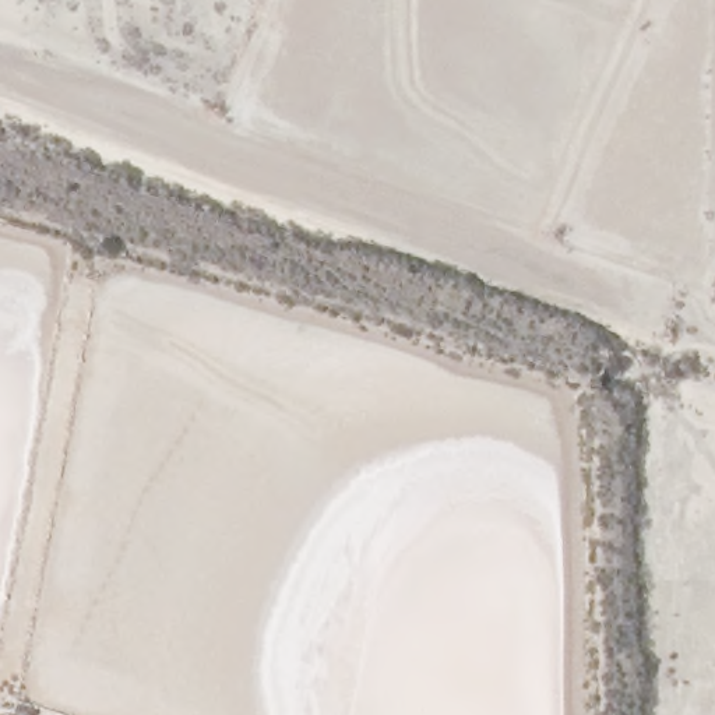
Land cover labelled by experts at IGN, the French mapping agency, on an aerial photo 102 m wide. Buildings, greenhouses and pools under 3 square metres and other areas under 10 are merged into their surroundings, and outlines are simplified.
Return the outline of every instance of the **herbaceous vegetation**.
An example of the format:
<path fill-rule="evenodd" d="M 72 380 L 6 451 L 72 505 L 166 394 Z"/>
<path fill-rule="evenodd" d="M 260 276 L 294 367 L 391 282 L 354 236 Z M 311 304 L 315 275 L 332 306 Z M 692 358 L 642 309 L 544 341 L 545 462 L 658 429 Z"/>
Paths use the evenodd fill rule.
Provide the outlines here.
<path fill-rule="evenodd" d="M 64 137 L 42 134 L 36 126 L 25 126 L 11 115 L 0 117 L 0 223 L 64 240 L 81 257 L 120 254 L 128 263 L 176 274 L 190 282 L 226 285 L 240 293 L 277 299 L 285 307 L 310 307 L 324 316 L 371 321 L 388 327 L 399 338 L 427 338 L 433 344 L 433 355 L 452 363 L 466 360 L 469 355 L 489 358 L 503 363 L 506 377 L 511 380 L 531 369 L 542 371 L 550 388 L 575 388 L 581 408 L 581 480 L 587 494 L 584 525 L 600 525 L 603 514 L 623 514 L 623 503 L 600 500 L 600 447 L 620 441 L 623 425 L 612 405 L 603 399 L 603 391 L 612 391 L 614 377 L 603 374 L 598 385 L 589 374 L 578 371 L 584 349 L 595 338 L 592 332 L 581 327 L 567 327 L 559 318 L 547 321 L 533 310 L 519 313 L 517 304 L 500 299 L 478 299 L 478 293 L 472 293 L 469 288 L 452 288 L 450 279 L 433 279 L 430 274 L 411 274 L 397 263 L 383 263 L 377 257 L 366 257 L 358 251 L 324 254 L 318 249 L 307 249 L 293 237 L 299 226 L 277 223 L 254 207 L 226 207 L 209 196 L 196 196 L 179 184 L 142 176 L 140 168 L 128 162 L 103 162 L 95 151 L 73 148 L 73 142 Z"/>
<path fill-rule="evenodd" d="M 592 709 L 592 715 L 606 715 L 609 693 L 603 679 L 609 662 L 603 600 L 587 603 L 589 634 L 584 640 L 584 648 L 589 668 L 584 673 L 584 695 L 587 709 Z"/>
<path fill-rule="evenodd" d="M 617 570 L 623 564 L 620 556 L 603 550 L 603 542 L 623 545 L 623 531 L 603 528 L 600 539 L 589 542 L 589 564 L 598 573 Z"/>
<path fill-rule="evenodd" d="M 626 360 L 631 366 L 626 369 L 626 380 L 651 371 L 651 366 L 642 360 L 648 349 L 645 344 L 628 344 Z"/>

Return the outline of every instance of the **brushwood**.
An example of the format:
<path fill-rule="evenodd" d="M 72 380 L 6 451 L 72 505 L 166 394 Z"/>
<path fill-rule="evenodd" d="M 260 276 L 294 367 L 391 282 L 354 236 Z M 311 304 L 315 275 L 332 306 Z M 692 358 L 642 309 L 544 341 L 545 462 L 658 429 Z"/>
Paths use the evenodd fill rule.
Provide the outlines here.
<path fill-rule="evenodd" d="M 698 358 L 698 352 L 687 352 L 681 358 L 670 358 L 656 349 L 648 349 L 642 360 L 651 366 L 651 371 L 626 380 L 626 369 L 631 366 L 626 360 L 628 344 L 609 327 L 587 318 L 584 313 L 542 302 L 522 290 L 489 285 L 478 274 L 461 271 L 455 265 L 422 260 L 408 251 L 397 251 L 369 240 L 335 240 L 330 235 L 316 235 L 299 226 L 293 237 L 307 249 L 318 249 L 324 254 L 358 251 L 366 257 L 377 257 L 383 263 L 397 263 L 411 274 L 430 274 L 433 279 L 450 279 L 452 288 L 469 288 L 472 293 L 478 293 L 478 299 L 500 299 L 517 304 L 519 313 L 533 310 L 547 321 L 559 318 L 567 327 L 581 327 L 592 332 L 595 338 L 584 349 L 578 371 L 589 374 L 598 385 L 603 374 L 614 377 L 612 391 L 603 391 L 603 399 L 612 405 L 623 425 L 620 441 L 600 447 L 600 500 L 623 503 L 623 514 L 603 514 L 600 525 L 603 528 L 623 531 L 623 545 L 603 542 L 603 550 L 620 556 L 623 564 L 617 570 L 598 573 L 603 600 L 609 662 L 603 679 L 609 693 L 606 715 L 654 715 L 659 659 L 654 654 L 648 634 L 648 567 L 642 547 L 642 528 L 648 525 L 648 402 L 676 399 L 681 394 L 679 383 L 690 377 L 715 380 L 715 358 Z"/>

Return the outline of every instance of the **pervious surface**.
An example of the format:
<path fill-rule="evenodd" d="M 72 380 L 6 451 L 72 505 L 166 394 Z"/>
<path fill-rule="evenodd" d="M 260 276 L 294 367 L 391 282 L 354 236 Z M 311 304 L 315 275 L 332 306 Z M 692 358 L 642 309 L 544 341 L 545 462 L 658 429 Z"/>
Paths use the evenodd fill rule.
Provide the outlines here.
<path fill-rule="evenodd" d="M 466 360 L 452 363 L 433 355 L 433 344 L 427 338 L 399 338 L 388 327 L 371 321 L 324 316 L 310 307 L 285 307 L 277 299 L 240 293 L 226 285 L 190 282 L 176 274 L 128 263 L 120 254 L 81 257 L 64 240 L 0 223 L 0 715 L 592 715 L 592 709 L 587 709 L 584 695 L 584 673 L 589 668 L 584 648 L 584 640 L 589 634 L 587 603 L 603 600 L 598 573 L 589 564 L 589 542 L 600 539 L 603 528 L 600 525 L 584 525 L 587 494 L 581 480 L 581 408 L 575 388 L 550 388 L 542 371 L 531 369 L 511 380 L 506 377 L 503 363 L 489 358 L 469 355 Z"/>
<path fill-rule="evenodd" d="M 95 151 L 103 162 L 128 162 L 140 168 L 142 176 L 179 184 L 196 196 L 209 196 L 226 207 L 254 207 L 277 223 L 299 226 L 316 235 L 330 235 L 335 240 L 369 240 L 397 251 L 408 251 L 422 260 L 455 265 L 461 271 L 478 274 L 489 285 L 522 290 L 542 302 L 584 313 L 587 318 L 609 327 L 628 344 L 645 344 L 648 349 L 656 349 L 670 358 L 681 358 L 687 352 L 698 352 L 698 358 L 715 358 L 715 0 L 0 0 L 0 117 L 11 115 L 25 126 L 36 126 L 42 134 L 64 137 L 73 142 L 73 148 Z"/>
<path fill-rule="evenodd" d="M 642 547 L 648 567 L 648 634 L 654 654 L 659 659 L 654 715 L 715 715 L 715 380 L 690 377 L 679 383 L 681 394 L 676 399 L 648 402 L 648 525 L 642 528 Z"/>

